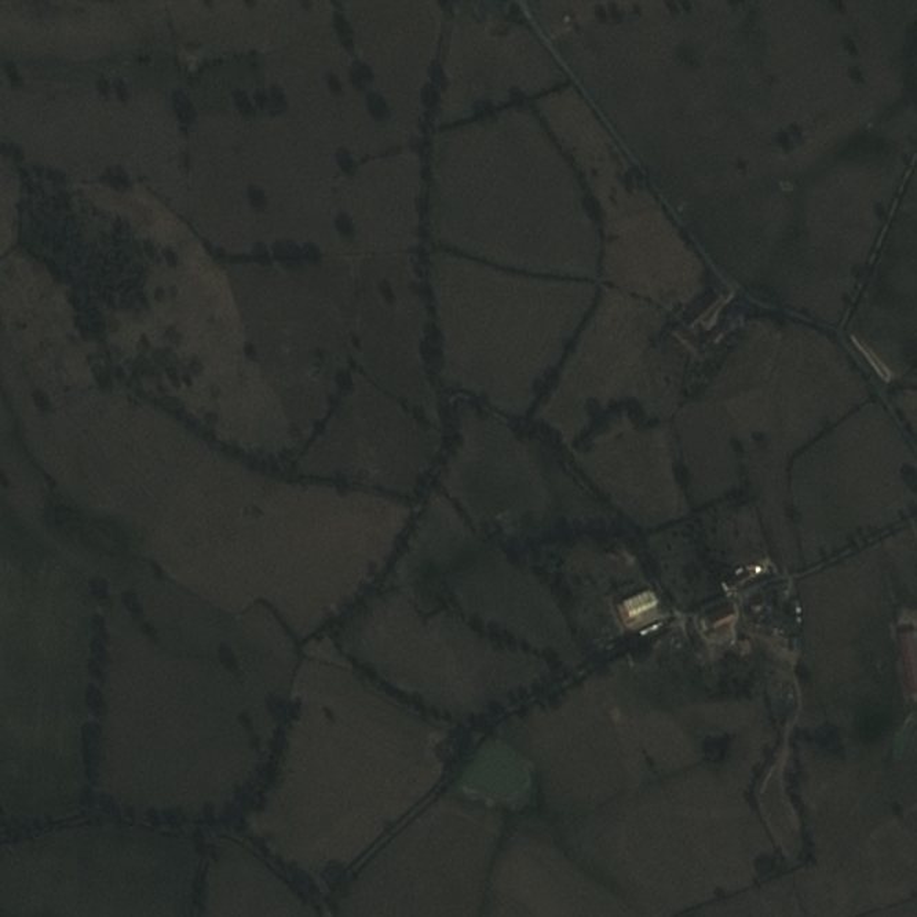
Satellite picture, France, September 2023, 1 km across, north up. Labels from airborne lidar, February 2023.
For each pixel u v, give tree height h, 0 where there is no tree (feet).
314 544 0
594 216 48
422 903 0
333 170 0
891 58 0
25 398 0
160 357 0
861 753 0
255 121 0
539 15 0
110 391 0
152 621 0
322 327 0
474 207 0
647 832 0
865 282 53
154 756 0
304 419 0
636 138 0
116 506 0
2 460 0
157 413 0
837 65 0
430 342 39
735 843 0
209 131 0
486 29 0
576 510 0
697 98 0
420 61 0
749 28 0
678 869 0
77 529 0
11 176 0
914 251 0
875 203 0
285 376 0
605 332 0
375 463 0
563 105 0
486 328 0
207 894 37
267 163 0
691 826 0
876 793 0
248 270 0
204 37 0
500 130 0
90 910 0
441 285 0
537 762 0
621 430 0
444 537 0
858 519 0
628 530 55
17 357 0
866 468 0
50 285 0
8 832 51
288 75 0
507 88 0
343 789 0
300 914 0
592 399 0
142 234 0
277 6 0
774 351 0
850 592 0
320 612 0
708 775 0
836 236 0
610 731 0
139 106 0
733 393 0
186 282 0
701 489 0
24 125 0
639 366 0
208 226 0
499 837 0
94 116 0
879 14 0
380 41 0
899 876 0
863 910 0
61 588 0
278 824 0
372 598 43
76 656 0
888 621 0
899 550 0
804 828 22
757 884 33
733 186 0
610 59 0
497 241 0
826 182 0
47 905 0
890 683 0
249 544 0
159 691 0
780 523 0
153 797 0
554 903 0
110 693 0
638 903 0
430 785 0
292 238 0
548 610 0
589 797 0
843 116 0
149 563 0
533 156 0
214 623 0
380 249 0
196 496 0
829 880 0
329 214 0
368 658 0
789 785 46
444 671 0
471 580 0
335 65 0
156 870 0
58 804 0
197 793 0
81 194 27
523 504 0
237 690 0
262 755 56
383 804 0
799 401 0
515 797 0
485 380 0
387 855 0
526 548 69
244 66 0
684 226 0
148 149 0
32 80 0
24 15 0
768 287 0
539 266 0
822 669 0
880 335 0
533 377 0
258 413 0
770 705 37
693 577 44
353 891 0
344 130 0
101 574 0
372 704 0
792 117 0
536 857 0
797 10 0
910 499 0
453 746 46
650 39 0
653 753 0
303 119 0
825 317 0
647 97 0
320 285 0
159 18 0
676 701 0
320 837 0
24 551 0
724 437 0
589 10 0
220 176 0
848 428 0
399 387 0
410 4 0
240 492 0
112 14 0
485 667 0
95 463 0
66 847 0
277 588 0
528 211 0
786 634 0
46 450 0
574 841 0
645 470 0
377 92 0
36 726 0
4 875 0
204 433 39
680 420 0
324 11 0
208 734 0
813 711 0
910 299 0
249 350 37
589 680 0
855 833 0
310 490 0
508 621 0
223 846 0
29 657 0
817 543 0
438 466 52
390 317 0
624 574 0
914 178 0
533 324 0
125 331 0
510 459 0
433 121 51
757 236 0
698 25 0
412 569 0
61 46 0
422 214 51
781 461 0
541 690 53
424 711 67
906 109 0
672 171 0
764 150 0
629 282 0
